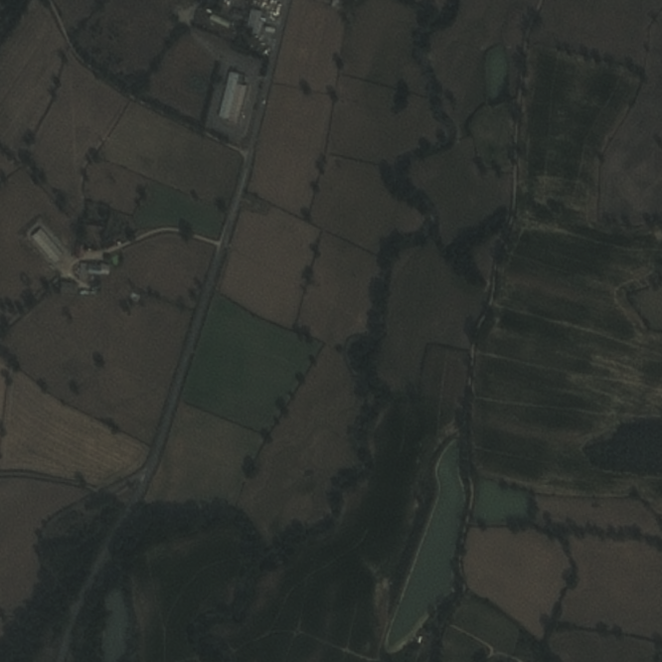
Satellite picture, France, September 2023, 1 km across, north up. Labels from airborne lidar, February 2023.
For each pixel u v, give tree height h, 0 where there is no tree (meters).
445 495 0
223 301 0
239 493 0
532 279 0
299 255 0
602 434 0
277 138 0
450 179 0
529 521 11
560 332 0
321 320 0
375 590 0
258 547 11
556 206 13
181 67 0
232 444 0
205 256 0
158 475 0
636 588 0
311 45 0
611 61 13
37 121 0
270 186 0
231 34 0
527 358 0
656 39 0
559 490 0
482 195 0
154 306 0
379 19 0
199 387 0
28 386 0
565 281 0
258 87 0
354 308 0
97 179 0
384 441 0
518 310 0
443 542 0
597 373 0
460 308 0
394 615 0
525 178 0
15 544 0
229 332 0
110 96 0
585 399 0
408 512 0
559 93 0
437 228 10
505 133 0
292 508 0
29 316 0
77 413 0
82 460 0
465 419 16
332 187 0
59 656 0
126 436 0
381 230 0
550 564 0
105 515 12
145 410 0
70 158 0
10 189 0
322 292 0
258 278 0
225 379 0
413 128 0
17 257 0
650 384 0
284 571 0
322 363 0
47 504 0
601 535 12
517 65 17
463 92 0
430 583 0
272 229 0
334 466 0
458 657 0
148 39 0
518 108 15
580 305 0
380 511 0
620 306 0
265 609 0
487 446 0
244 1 0
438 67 0
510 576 0
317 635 0
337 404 0
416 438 0
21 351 0
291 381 0
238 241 0
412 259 0
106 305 0
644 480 0
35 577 0
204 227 0
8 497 0
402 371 0
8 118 0
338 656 0
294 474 0
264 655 0
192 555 0
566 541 15
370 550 0
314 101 0
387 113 0
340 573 0
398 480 0
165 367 0
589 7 0
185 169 0
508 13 0
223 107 0
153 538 6
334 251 0
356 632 0
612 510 0
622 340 0
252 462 15
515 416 0
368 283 0
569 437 0
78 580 17
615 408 0
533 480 0
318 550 0
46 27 0
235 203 0
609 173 0
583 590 0
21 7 13
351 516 0
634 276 0
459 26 0
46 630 13
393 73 0
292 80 0
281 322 0
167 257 0
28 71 0
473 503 0
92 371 0
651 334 0
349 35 0
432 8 25
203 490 0
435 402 0
